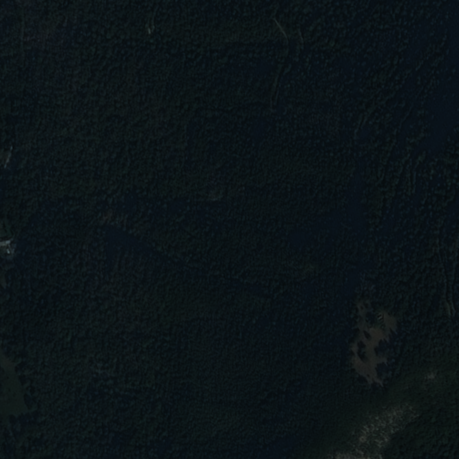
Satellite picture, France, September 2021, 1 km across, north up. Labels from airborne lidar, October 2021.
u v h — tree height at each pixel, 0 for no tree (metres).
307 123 18
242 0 20
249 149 16
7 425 0
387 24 15
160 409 15
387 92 15
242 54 20
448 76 20
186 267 15
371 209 25
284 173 10
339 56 19
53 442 15
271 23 16
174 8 14
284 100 11
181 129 17
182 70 19
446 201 21
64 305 27
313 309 21
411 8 17
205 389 8
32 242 25
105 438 21
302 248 17
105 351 16
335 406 14
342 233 21
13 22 9
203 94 18
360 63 14
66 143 18
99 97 14
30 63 16
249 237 9
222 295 12
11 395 0
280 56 23
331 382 18
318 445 17
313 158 10
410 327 28
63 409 9
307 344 23
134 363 12
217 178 9
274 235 19
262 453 18
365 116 15
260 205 18
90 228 17
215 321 13
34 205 19
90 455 16
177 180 12
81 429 17
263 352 14
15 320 15
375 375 0
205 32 12
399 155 14
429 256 23
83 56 14
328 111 17
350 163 17
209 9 15
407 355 24
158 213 13
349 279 24
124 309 12
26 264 18
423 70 11
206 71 20
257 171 14
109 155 12
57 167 19
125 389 8
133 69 14
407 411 12
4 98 26
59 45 8
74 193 18
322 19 17
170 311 16
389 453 19
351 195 17
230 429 11
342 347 18
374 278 29
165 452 22
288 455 17
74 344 19
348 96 10
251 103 11
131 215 11
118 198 11
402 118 16
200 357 11
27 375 19
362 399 22
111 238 8
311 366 16
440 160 20
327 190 26
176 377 17
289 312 19
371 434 8
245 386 12
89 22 13
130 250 11
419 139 11
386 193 21
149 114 14
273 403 15
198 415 9
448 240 12
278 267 17
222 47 18
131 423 18
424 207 16
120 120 13
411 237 29
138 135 16
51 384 12
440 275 19
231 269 19
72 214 19
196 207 14
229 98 18
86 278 13
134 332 12
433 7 10
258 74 16
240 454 15
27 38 10
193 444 18
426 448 17
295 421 14
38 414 21
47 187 12
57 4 19
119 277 8
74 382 13
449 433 15
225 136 17
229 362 13
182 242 11
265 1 21
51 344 22
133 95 13
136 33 14
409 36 16
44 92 16
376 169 20
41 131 13
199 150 18
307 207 18
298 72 17
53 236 17
